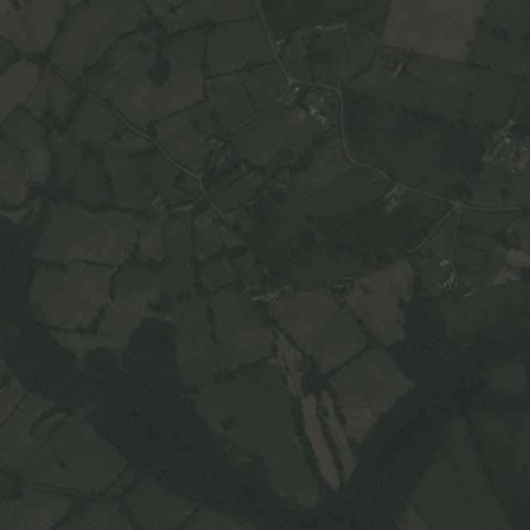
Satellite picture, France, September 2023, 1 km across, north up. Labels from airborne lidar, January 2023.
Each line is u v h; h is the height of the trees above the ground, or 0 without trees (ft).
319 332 0
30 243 75
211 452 39
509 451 0
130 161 0
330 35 0
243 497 35
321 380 57
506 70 0
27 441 0
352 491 56
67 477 0
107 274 0
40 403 0
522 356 0
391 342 0
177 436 41
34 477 0
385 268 0
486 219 0
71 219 0
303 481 0
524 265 0
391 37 0
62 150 0
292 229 0
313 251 0
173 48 0
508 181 0
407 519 0
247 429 0
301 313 0
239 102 0
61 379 112
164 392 62
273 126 0
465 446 0
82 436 0
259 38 0
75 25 0
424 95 0
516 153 21
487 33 0
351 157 0
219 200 0
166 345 21
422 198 0
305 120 0
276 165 0
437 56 0
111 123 0
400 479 62
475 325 0
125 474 0
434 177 0
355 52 0
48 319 0
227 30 0
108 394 45
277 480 0
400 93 0
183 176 30
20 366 94
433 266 0
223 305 0
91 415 0
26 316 64
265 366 0
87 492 0
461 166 0
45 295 0
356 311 0
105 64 0
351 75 0
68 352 35
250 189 0
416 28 0
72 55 0
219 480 0
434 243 0
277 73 0
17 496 52
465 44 0
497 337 0
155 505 0
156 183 0
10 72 0
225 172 45
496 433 0
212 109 0
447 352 0
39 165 0
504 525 0
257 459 39
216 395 0
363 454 79
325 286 25
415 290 26
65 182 0
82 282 0
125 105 0
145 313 0
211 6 0
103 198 0
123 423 81
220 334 0
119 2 0
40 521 0
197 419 23
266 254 0
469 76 0
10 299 34
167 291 0
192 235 19
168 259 25
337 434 0
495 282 0
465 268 0
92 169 0
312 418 0
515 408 64
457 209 0
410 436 41
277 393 0
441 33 0
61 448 0
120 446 76
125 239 0
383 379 0
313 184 0
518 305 0
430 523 0
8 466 0
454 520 0
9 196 0
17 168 0
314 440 0
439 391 71
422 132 0
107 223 0
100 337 0
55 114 0
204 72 20
